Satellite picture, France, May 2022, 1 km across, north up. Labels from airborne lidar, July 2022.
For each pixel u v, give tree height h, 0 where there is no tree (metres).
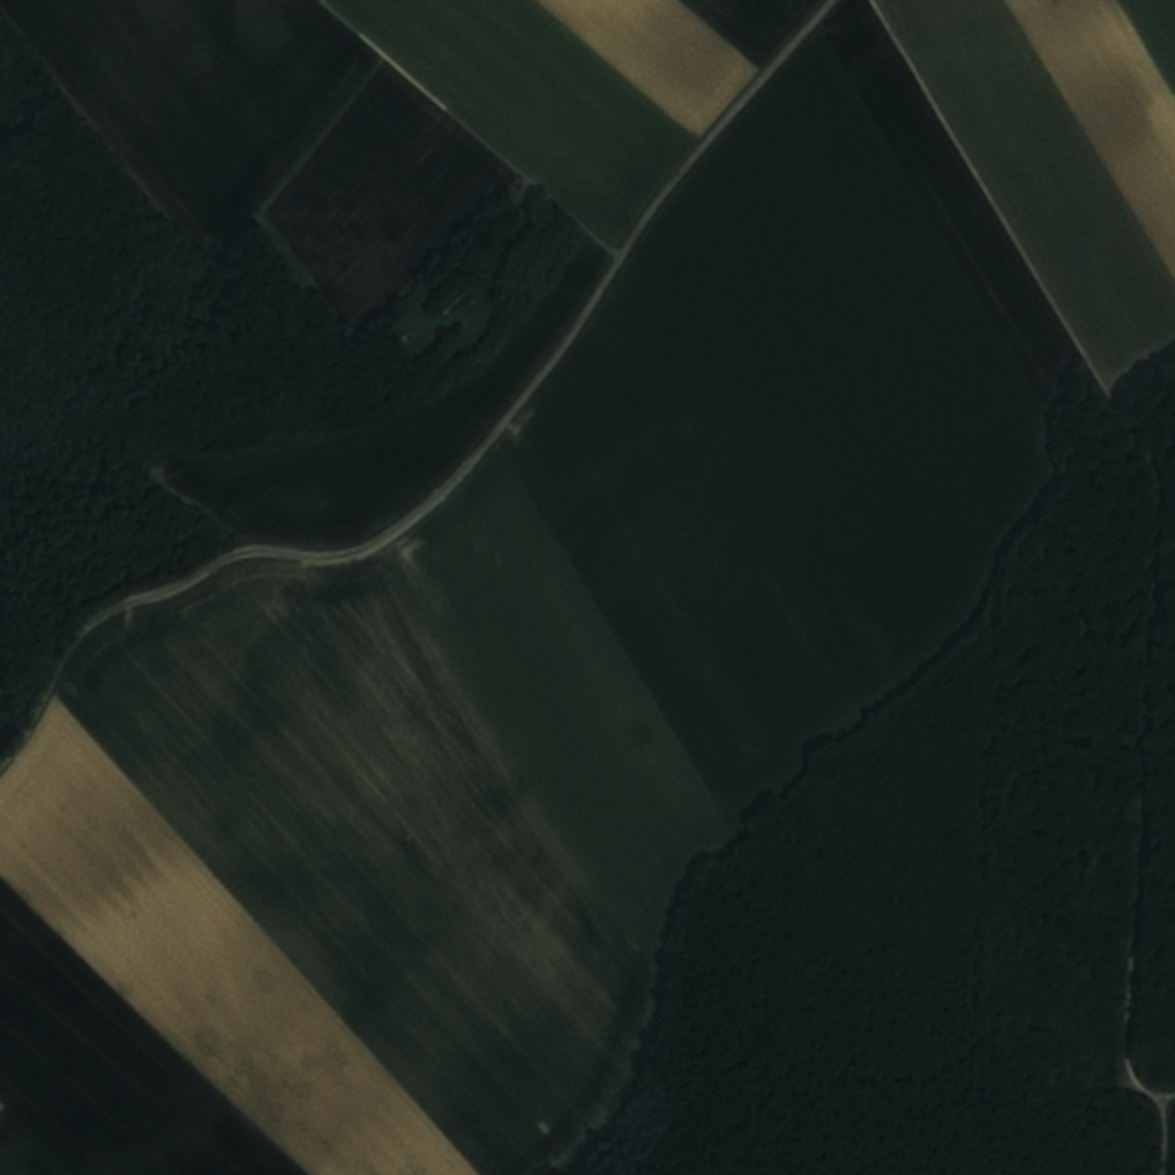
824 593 0
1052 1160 19
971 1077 19
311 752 0
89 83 0
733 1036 18
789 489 0
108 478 23
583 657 0
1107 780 27
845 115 0
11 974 0
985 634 12
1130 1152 17
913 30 0
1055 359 0
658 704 0
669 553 0
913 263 0
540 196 17
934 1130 19
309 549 0
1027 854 25
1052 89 0
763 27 0
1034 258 0
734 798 0
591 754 0
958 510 0
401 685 0
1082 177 0
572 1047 0
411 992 0
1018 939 19
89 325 21
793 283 0
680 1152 22
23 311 18
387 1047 0
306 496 0
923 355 0
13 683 26
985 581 0
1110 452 27
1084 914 24
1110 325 0
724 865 16
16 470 17
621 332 0
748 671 0
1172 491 26
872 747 12
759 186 0
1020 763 20
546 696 0
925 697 15
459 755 0
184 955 0
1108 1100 17
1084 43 0
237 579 0
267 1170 0
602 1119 0
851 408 0
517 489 0
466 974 0
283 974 0
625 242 0
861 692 0
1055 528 24
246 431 10
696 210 0
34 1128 0
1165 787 27
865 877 14
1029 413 0
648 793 0
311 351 19
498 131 0
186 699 0
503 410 0
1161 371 24
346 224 0
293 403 15
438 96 0
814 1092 19
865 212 0
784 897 16
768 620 0
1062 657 27
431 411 0
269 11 0
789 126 0
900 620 0
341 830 0
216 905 0
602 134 0
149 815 0
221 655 0
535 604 0
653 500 0
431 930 0
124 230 23
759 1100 20
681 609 0
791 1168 20
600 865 0
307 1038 0
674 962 22
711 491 0
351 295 0
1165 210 0
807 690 0
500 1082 0
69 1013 0
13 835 0
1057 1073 18
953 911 13
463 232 15
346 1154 0
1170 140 0
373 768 0
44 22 0
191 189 0
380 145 0
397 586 0
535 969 0
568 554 0
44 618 17
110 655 0
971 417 0
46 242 24
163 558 13
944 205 0
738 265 0
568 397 0
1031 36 0
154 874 0
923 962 15
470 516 0
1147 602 26
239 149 0
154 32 0
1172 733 28
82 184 24
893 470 0
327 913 0
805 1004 16
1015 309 0
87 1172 0
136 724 0
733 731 0
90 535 15
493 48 0
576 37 0
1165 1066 21
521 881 0
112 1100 0
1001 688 21
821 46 0
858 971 17
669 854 0
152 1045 0
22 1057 0
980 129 0
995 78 0
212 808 0
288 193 0
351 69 0
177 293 26
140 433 22
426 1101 0
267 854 0
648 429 0
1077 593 29
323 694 0
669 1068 22
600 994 0
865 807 11
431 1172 0
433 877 0
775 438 0
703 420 0
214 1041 0
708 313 0
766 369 0
